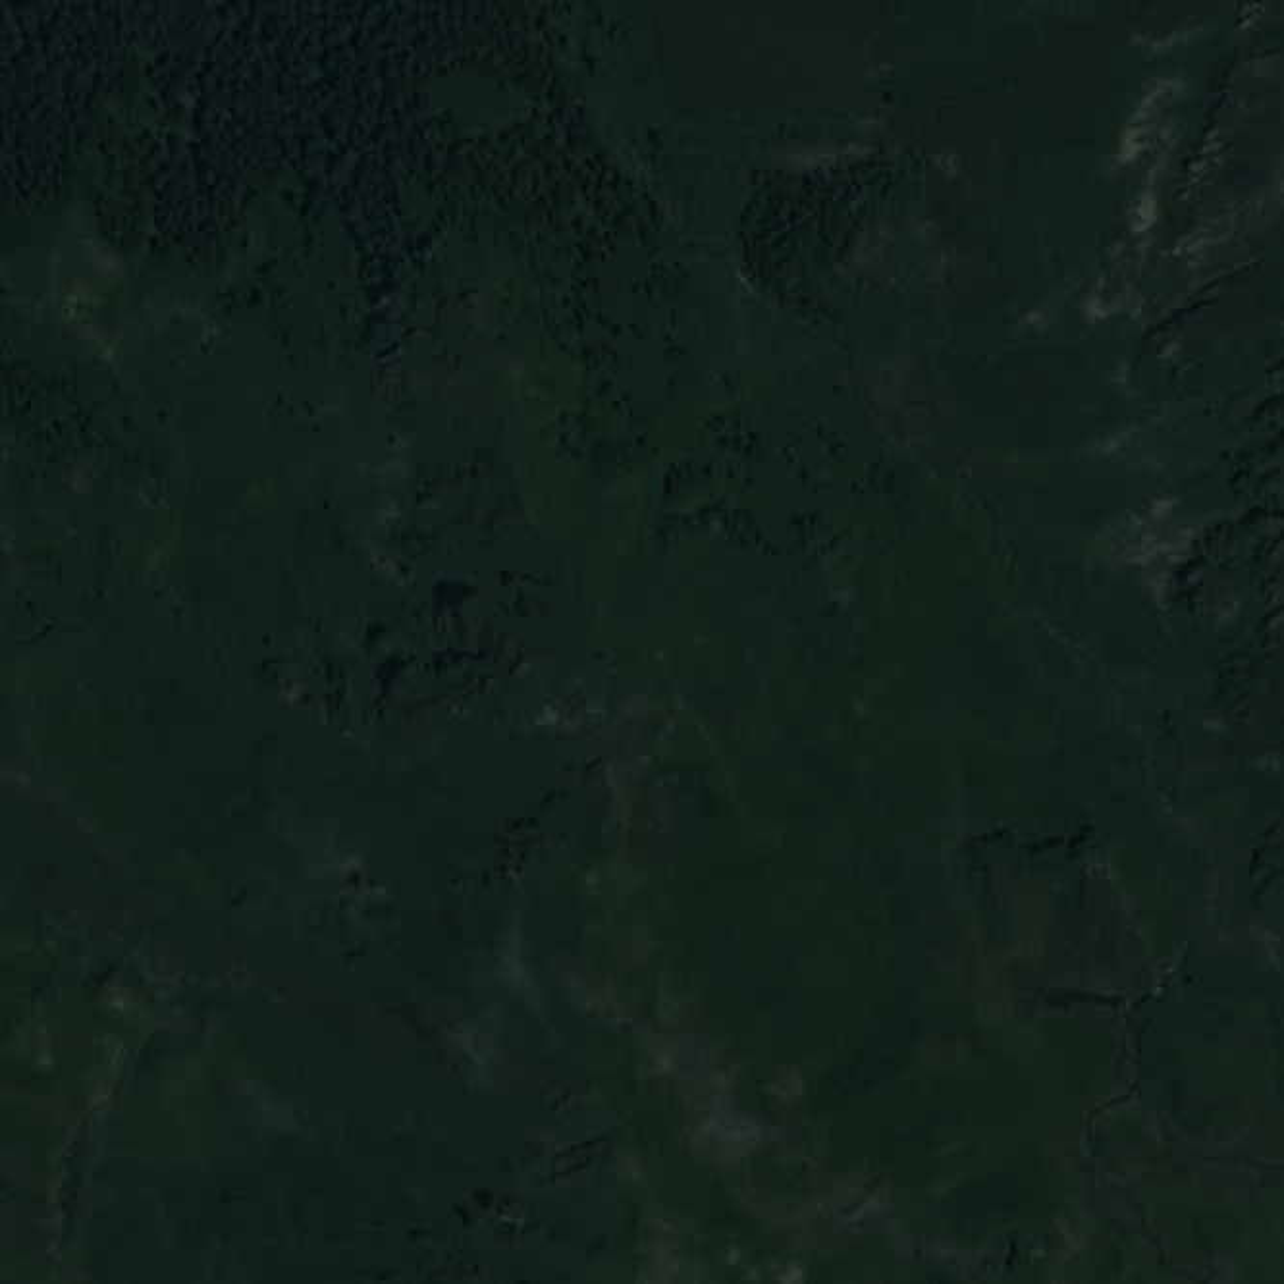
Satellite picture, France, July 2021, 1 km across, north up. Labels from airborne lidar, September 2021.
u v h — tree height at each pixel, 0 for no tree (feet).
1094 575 0
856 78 0
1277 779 0
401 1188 0
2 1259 0
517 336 0
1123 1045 0
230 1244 0
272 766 0
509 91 32
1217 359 0
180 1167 0
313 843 0
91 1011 0
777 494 0
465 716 0
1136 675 0
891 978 0
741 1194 0
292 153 68
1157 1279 0
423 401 0
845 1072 0
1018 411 0
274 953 0
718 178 0
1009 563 0
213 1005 0
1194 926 0
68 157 40
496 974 0
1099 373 0
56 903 0
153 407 0
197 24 85
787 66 0
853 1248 0
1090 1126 0
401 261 26
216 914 0
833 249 25
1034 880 0
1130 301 0
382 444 0
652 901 0
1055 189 0
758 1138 0
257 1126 0
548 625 0
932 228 0
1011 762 0
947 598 0
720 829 0
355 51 54
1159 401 0
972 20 0
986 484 0
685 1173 0
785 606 0
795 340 0
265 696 0
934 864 0
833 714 0
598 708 0
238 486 0
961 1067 0
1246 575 0
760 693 0
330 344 0
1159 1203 0
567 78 38
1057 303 0
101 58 62
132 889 0
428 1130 0
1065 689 0
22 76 72
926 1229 0
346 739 0
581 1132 0
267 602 0
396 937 0
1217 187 0
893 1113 0
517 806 0
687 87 0
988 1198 0
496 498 0
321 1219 0
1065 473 0
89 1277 0
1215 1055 0
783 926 0
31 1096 0
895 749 0
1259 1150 0
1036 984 0
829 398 0
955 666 0
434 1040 0
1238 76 0
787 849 0
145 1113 0
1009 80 0
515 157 51
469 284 0
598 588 0
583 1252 0
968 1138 0
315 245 40
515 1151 0
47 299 0
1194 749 0
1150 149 0
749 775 0
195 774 0
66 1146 0
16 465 0
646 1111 0
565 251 34
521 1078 0
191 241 46
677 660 0
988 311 0
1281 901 0
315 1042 0
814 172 26
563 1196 0
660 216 54
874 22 0
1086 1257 0
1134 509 0
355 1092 0
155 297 0
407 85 56
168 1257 0
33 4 96
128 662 0
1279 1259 0
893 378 0
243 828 0
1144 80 0
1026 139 0
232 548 0
